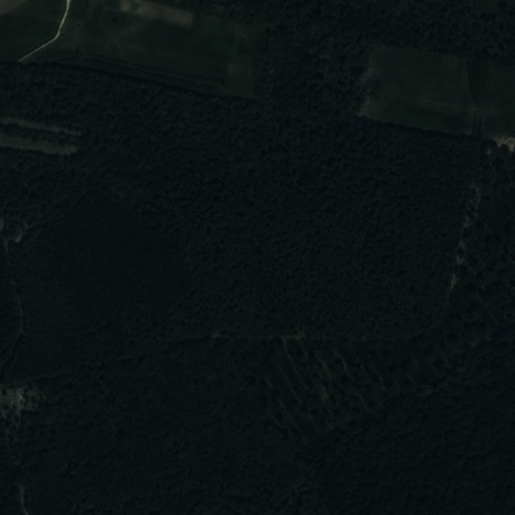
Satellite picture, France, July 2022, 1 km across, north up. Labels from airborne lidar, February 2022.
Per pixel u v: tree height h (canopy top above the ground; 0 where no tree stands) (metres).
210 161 19
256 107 19
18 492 22
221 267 25
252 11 7
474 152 18
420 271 11
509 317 27
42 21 0
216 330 14
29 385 7
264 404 25
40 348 21
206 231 27
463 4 20
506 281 23
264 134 27
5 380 19
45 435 24
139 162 27
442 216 16
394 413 23
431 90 6
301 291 20
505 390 20
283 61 19
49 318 20
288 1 12
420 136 19
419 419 14
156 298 19
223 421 27
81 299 18
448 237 17
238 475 26
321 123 9
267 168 22
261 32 0
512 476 16
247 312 20
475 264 22
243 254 25
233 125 6
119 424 27
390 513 22
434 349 22
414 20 9
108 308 17
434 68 0
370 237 27
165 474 25
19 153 16
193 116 15
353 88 21
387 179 7
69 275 19
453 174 21
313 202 28
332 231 23
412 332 21
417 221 20
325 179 20
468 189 19
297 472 26
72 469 21
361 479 19
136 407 30
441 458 23
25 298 16
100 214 14
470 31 25
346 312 22
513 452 20
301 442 23
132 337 16
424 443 18
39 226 18
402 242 19
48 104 22
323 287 22
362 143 25
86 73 17
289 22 8
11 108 21
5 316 20
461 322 23
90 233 13
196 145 14
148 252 18
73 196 14
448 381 24
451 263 15
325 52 22
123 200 17
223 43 0
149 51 0
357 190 27
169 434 31
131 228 14
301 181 7
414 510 13
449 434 26
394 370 28
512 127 0
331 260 21
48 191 18
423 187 19
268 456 26
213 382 24
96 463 29
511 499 25
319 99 26
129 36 0
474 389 28
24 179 15
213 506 24
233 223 27
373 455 22
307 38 29
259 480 21
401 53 0
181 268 15
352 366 25
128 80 17
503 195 26
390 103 0
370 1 7
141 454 27
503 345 28
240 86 0
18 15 0
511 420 22
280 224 27
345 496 18
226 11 14
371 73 11
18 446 21
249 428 24
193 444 25
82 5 0
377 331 20
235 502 26
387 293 29
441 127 0
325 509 24
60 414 22
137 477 27
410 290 19
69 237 14
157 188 23
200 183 9
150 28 0
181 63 0
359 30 9
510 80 0
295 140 31
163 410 26
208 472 24
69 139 18
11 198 18
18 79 20
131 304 21
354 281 20
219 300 20
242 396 25
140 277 17
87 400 33
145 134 18
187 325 19
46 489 25
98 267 17
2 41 0
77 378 20
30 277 19
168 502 26
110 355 17
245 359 23
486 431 26
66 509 27
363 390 22
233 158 19
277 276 21
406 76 0
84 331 20
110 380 29
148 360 27
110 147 22
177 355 25
